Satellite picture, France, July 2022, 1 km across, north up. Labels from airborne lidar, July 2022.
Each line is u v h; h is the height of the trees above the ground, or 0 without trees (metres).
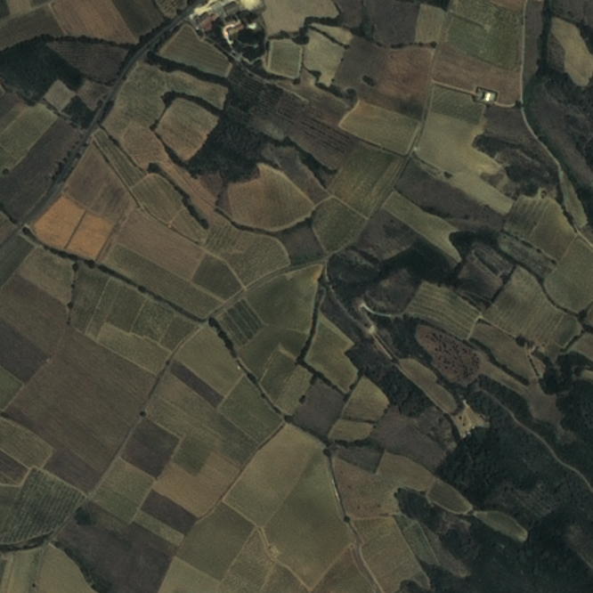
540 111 0
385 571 0
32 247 0
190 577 0
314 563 0
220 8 0
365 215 0
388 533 0
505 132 0
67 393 0
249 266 0
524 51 0
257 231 0
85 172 0
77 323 0
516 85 0
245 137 7
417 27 0
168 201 0
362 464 0
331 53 0
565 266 0
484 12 0
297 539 0
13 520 0
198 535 0
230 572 0
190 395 0
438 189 0
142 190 0
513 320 0
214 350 0
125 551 0
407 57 0
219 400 0
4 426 0
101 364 0
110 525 0
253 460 0
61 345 0
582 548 0
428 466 0
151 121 0
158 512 0
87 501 0
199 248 0
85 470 0
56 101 0
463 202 0
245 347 0
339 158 0
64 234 0
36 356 0
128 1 0
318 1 0
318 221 0
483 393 8
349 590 0
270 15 0
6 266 0
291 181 0
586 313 10
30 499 0
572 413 7
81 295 0
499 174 0
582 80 0
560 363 8
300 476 0
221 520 0
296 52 0
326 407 0
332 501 0
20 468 0
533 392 0
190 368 0
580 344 0
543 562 6
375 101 0
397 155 0
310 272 0
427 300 0
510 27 0
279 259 0
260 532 0
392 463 0
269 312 0
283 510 0
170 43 0
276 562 0
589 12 0
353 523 0
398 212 0
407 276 0
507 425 8
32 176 0
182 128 0
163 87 0
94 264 11
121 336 0
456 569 0
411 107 0
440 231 0
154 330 0
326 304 0
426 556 0
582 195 16
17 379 0
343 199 0
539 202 0
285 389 0
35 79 7
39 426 0
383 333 0
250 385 0
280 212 0
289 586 0
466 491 9
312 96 0
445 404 0
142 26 0
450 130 0
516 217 0
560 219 0
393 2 0
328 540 0
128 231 0
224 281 0
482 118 0
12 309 0
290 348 0
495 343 0
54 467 0
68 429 0
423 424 0
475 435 17
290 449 0
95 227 0
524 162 0
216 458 0
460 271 7
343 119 0
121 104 0
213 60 0
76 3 0
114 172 0
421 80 0
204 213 0
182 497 0
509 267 0
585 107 10
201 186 0
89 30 0
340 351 0
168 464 0
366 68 0
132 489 0
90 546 0
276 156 0
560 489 11
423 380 0
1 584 0
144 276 0
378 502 0
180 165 8
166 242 0
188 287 0
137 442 0
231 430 0
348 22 0
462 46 0
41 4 0
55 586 0
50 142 0
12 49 6
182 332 0
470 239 7
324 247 0
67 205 0
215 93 0
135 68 0
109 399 0
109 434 0
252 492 0
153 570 0
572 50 0
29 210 0
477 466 12
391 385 8
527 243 9
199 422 0
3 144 0
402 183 0
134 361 0
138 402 0
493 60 0
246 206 0
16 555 0
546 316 0
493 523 0
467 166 0
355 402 0
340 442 7
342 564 0
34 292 0
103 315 0
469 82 0
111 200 0
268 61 0
